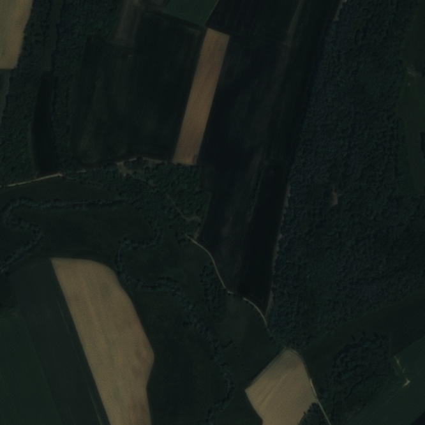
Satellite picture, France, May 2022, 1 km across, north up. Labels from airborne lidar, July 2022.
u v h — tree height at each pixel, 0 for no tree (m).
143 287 12
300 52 0
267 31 0
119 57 0
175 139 0
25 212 0
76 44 19
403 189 15
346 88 20
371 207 22
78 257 0
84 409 0
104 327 0
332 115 24
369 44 25
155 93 0
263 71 0
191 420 0
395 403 0
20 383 0
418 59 0
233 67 0
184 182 14
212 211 0
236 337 0
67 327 0
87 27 16
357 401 11
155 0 0
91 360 0
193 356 0
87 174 12
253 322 0
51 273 0
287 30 0
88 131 0
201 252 0
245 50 0
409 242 29
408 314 0
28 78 20
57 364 0
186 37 0
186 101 0
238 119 0
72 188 0
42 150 0
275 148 0
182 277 0
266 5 0
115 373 0
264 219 0
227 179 0
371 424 0
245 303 6
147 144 0
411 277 22
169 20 0
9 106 9
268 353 0
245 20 0
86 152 0
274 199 0
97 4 22
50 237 0
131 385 0
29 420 0
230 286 0
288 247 13
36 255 0
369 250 25
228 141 0
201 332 9
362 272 16
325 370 0
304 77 0
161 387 0
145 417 0
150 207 20
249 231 0
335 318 18
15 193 0
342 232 25
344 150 26
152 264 0
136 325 0
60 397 0
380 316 0
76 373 0
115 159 0
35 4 15
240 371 0
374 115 22
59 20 0
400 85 20
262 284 0
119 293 0
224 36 0
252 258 0
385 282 23
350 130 15
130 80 0
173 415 0
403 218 24
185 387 0
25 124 6
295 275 19
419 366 0
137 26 0
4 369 0
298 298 20
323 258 25
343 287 10
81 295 0
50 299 0
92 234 0
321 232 24
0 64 0
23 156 11
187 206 12
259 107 0
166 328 0
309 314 18
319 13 0
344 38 26
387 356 25
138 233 0
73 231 0
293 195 13
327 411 12
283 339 19
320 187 24
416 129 0
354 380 11
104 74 0
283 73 0
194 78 0
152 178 11
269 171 0
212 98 0
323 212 27
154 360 0
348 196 15
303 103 0
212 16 0
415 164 0
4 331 0
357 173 25
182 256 0
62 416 0
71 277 0
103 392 0
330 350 0
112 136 0
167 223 16
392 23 28
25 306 0
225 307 12
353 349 19
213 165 0
